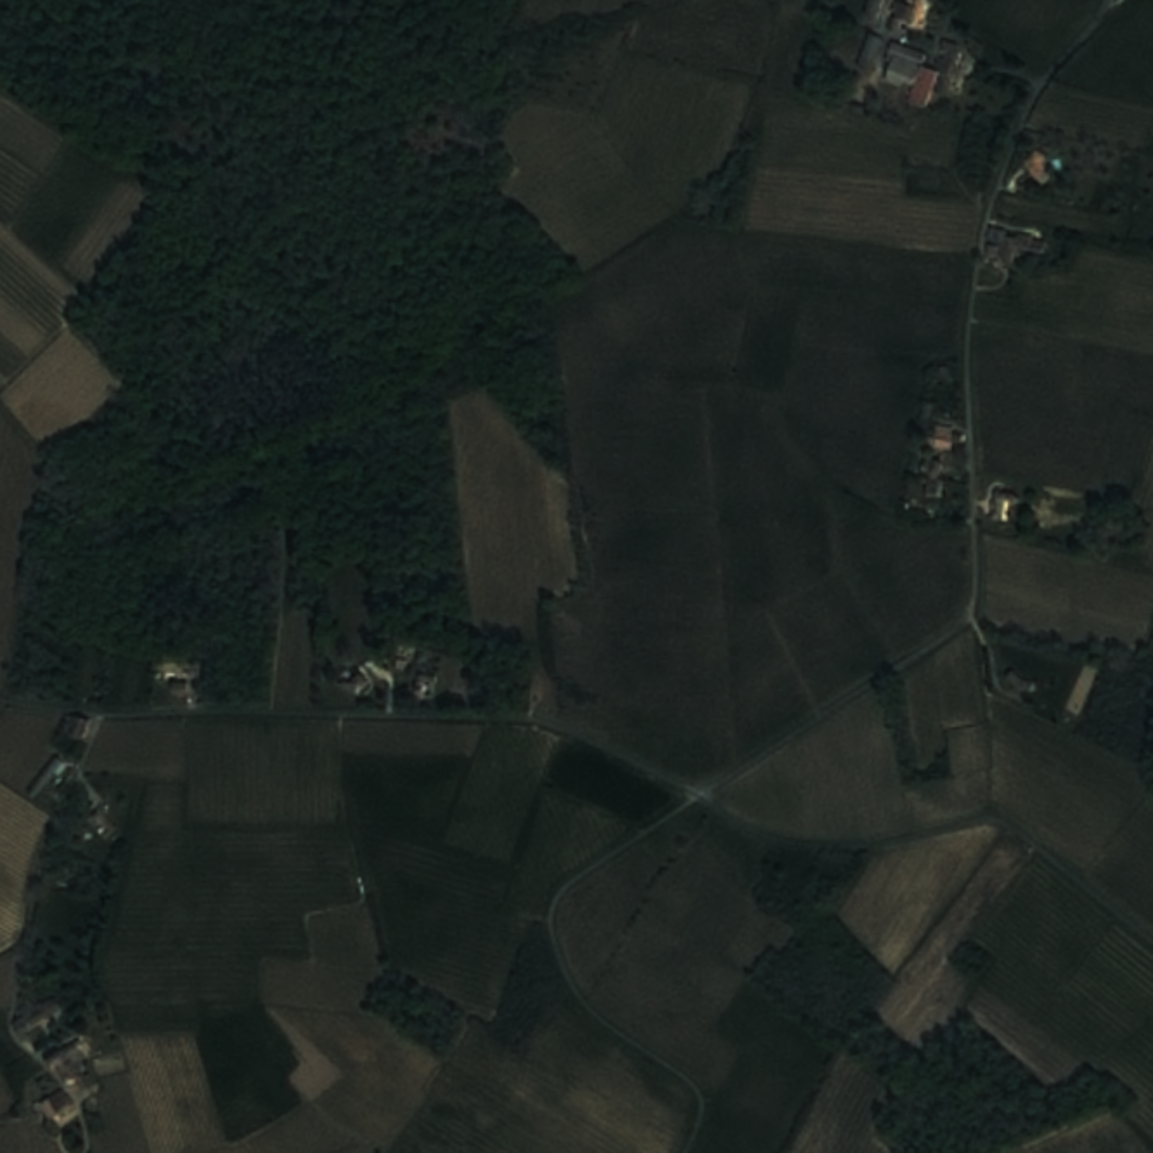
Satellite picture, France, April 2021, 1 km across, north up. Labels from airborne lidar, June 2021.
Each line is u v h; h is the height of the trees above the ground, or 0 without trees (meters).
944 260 0
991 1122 15
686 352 0
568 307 0
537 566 0
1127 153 13
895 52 0
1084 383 0
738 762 0
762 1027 0
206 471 24
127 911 0
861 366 0
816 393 0
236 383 26
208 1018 0
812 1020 14
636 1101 0
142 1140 0
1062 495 0
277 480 23
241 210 16
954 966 10
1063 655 13
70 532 20
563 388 10
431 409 23
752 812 0
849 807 0
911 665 0
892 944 0
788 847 0
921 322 0
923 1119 16
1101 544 15
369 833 0
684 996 0
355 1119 0
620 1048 0
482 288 24
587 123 0
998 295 0
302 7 19
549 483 0
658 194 0
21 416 0
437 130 13
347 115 23
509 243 17
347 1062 0
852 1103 0
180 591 28
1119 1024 0
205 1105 0
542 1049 0
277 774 0
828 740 0
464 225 24
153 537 21
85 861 9
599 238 0
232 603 19
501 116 7
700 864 0
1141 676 9
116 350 13
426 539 20
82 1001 6
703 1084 0
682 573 0
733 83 0
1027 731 0
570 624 0
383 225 18
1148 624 0
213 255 14
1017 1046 0
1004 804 0
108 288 18
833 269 0
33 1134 0
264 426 23
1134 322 0
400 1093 0
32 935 8
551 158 0
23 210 0
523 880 0
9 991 0
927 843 0
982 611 0
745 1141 0
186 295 14
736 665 0
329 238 18
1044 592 0
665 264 0
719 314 0
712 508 0
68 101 24
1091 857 0
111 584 23
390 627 21
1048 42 0
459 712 17
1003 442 0
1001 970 0
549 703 0
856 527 0
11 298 0
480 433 0
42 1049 6
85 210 0
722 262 0
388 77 18
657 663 0
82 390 0
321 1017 0
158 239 19
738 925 0
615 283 0
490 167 13
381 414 20
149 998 0
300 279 16
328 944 0
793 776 0
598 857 0
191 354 15
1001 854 0
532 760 0
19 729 0
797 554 0
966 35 12
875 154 0
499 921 0
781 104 0
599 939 0
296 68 23
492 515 0
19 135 0
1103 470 0
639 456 0
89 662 0
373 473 22
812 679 0
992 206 0
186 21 22
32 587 16
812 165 0
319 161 15
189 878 0
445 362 11
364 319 19
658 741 0
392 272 25
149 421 16
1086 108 0
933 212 0
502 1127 0
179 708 0
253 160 13
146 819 0
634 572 0
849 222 0
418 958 0
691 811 0
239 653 13
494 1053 0
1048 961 0
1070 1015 0
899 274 0
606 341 0
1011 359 0
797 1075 0
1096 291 0
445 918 0
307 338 26
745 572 0
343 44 18
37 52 20
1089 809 0
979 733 0
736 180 8
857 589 0
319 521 21
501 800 0
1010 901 0
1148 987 0
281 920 0
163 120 28
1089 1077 14
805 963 10
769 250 0
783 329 0
